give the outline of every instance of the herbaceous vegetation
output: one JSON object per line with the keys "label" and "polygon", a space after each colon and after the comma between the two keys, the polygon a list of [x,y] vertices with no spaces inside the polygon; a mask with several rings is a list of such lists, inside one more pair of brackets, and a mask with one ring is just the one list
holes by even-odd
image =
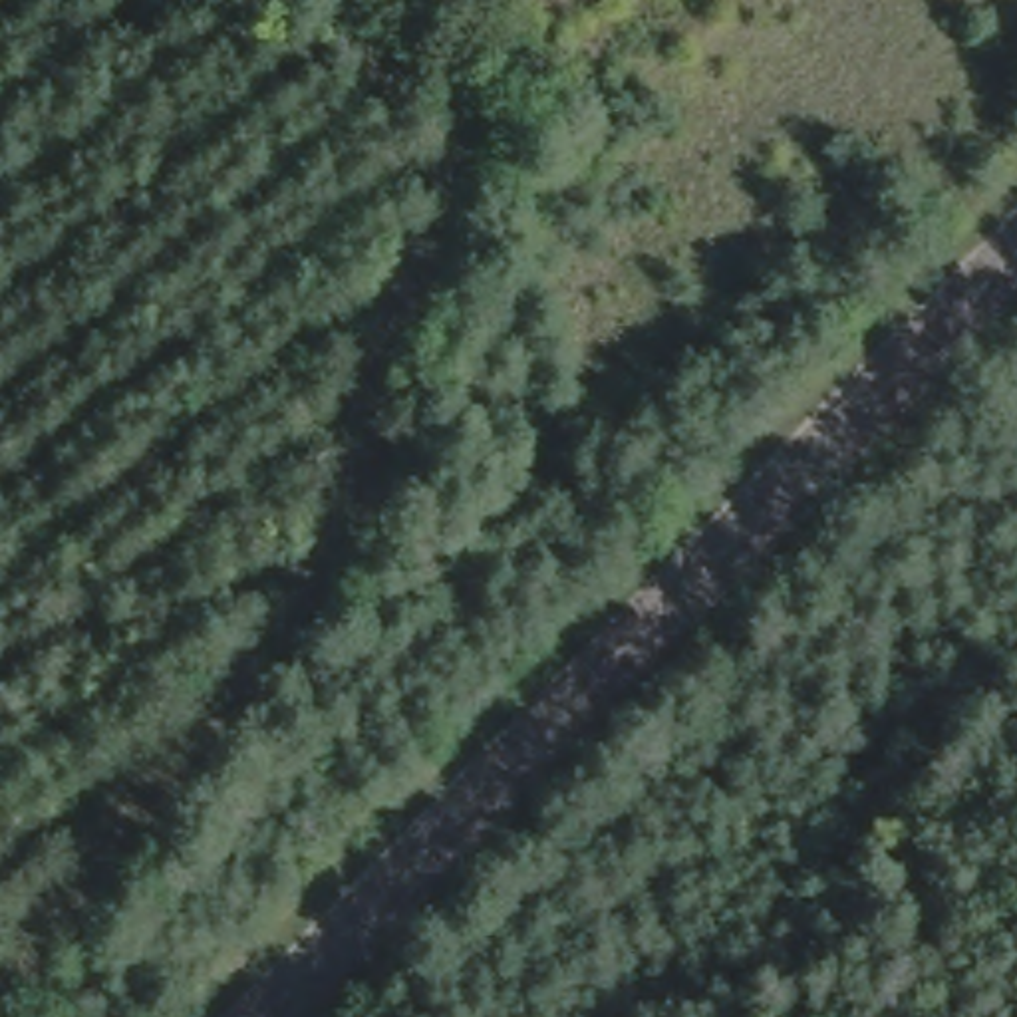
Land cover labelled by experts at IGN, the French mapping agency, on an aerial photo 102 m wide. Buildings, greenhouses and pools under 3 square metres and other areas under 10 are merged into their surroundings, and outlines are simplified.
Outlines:
{"label": "herbaceous vegetation", "polygon": [[[564,274],[572,278],[576,298],[572,306],[564,306],[556,369],[564,365],[580,373],[580,401],[532,417],[532,477],[548,493],[564,493],[580,481],[576,453],[596,421],[616,425],[624,433],[624,425],[640,417],[648,389],[675,389],[683,373],[683,350],[707,354],[715,338],[731,338],[731,330],[743,326],[739,302],[763,290],[775,274],[795,270],[791,230],[810,230],[810,258],[818,270],[862,266],[866,238],[882,215],[878,195],[882,187],[890,187],[890,167],[886,159],[834,159],[826,147],[834,139],[830,123],[878,131],[886,119],[926,119],[938,127],[938,103],[961,79],[969,79],[977,99],[1001,95],[1017,83],[1017,0],[997,0],[997,32],[957,60],[953,40],[930,20],[926,0],[640,0],[632,20],[616,24],[604,36],[600,52],[612,60],[612,83],[640,75],[671,119],[652,123],[644,131],[628,131],[616,147],[616,159],[600,171],[600,183],[612,183],[624,163],[636,163],[640,183],[652,187],[652,207],[644,215],[616,218],[588,254],[572,254],[572,270]],[[735,171],[759,139],[771,147],[799,147],[791,155],[791,167],[783,171],[783,179],[795,191],[787,230],[747,226],[751,199],[739,191]],[[703,282],[703,298],[695,306],[671,302],[655,310],[652,286],[671,278],[671,266],[663,266],[655,254],[671,246],[679,230],[695,238],[695,270]]]}

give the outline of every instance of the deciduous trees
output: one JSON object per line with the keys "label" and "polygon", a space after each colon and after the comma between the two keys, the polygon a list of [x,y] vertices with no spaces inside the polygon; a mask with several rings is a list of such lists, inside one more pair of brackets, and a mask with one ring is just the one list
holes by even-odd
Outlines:
{"label": "deciduous trees", "polygon": [[489,115],[489,159],[497,167],[481,179],[481,203],[469,211],[469,222],[489,230],[501,254],[493,254],[461,286],[437,294],[437,306],[417,342],[421,381],[433,389],[465,389],[469,377],[481,369],[489,342],[512,322],[512,306],[501,298],[501,282],[512,266],[509,250],[520,242],[520,230],[512,226],[516,203],[540,199],[528,171],[540,159],[540,139],[572,111],[568,91],[556,91],[544,79],[556,72],[556,60],[536,52],[536,44],[544,40],[544,8],[536,0],[338,0],[334,24],[350,32],[354,48],[362,48],[358,83],[346,95],[362,115],[373,99],[385,103],[385,111],[417,99],[421,119],[441,119],[449,127],[449,91],[457,83],[477,83]]}
{"label": "deciduous trees", "polygon": [[667,469],[659,485],[648,493],[652,520],[644,540],[636,544],[636,556],[648,564],[671,552],[675,536],[699,512],[691,509],[695,493],[687,493]]}
{"label": "deciduous trees", "polygon": [[107,1005],[79,985],[83,973],[75,945],[60,949],[48,973],[36,973],[32,989],[12,989],[0,997],[0,1017],[99,1017]]}
{"label": "deciduous trees", "polygon": [[441,771],[465,735],[449,715],[429,715],[417,743],[421,759],[429,759]]}

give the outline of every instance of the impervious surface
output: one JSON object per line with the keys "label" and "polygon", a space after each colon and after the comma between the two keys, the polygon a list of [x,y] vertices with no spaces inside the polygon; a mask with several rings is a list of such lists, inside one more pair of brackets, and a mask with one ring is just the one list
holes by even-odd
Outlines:
{"label": "impervious surface", "polygon": [[417,791],[401,806],[377,810],[373,838],[365,846],[346,846],[342,866],[322,870],[302,890],[298,910],[302,918],[318,922],[318,938],[298,938],[298,953],[282,953],[274,945],[250,953],[250,961],[207,997],[203,1017],[314,1017],[314,1009],[326,1001],[330,977],[354,977],[362,985],[365,977],[377,977],[385,942],[445,882],[465,878],[473,890],[481,890],[477,882],[493,874],[497,862],[516,858],[524,838],[544,838],[548,830],[540,810],[552,795],[568,795],[564,779],[572,779],[564,771],[564,755],[580,743],[600,751],[604,743],[620,739],[620,711],[636,707],[636,691],[652,687],[667,671],[683,636],[691,636],[699,624],[727,616],[739,604],[743,584],[755,580],[755,572],[767,560],[806,552],[802,528],[834,509],[834,485],[886,485],[898,473],[918,469],[922,445],[942,421],[942,409],[934,405],[934,373],[961,350],[961,338],[981,342],[1005,322],[1017,322],[1017,187],[1009,187],[1001,207],[977,222],[969,250],[957,262],[942,266],[942,282],[914,286],[906,310],[886,314],[866,330],[866,358],[850,373],[842,373],[810,409],[818,425],[814,437],[759,437],[743,449],[743,465],[739,477],[727,485],[727,497],[711,512],[699,512],[675,536],[671,552],[648,564],[644,584],[628,604],[604,604],[600,612],[588,612],[576,624],[568,624],[560,632],[556,652],[540,659],[532,675],[520,683],[520,699],[489,703],[465,735],[441,771],[433,795]]}

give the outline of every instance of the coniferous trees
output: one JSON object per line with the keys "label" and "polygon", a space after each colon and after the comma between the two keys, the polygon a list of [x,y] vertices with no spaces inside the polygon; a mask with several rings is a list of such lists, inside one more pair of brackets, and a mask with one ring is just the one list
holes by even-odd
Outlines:
{"label": "coniferous trees", "polygon": [[926,0],[930,20],[953,40],[957,60],[997,32],[997,0]]}
{"label": "coniferous trees", "polygon": [[783,179],[783,171],[791,167],[791,155],[799,147],[771,147],[759,139],[735,171],[739,191],[751,199],[747,226],[787,230],[795,191]]}
{"label": "coniferous trees", "polygon": [[699,624],[691,636],[683,636],[667,671],[652,687],[636,691],[636,707],[620,711],[620,739],[604,743],[600,751],[580,743],[564,755],[564,771],[572,779],[564,779],[568,795],[552,795],[540,810],[548,830],[544,838],[524,838],[516,858],[497,862],[493,874],[477,882],[481,890],[473,890],[465,878],[445,882],[385,942],[377,977],[365,977],[362,985],[354,977],[330,977],[326,1001],[314,1009],[314,1017],[1017,1017],[1017,322],[1005,322],[981,342],[961,338],[961,350],[934,373],[934,405],[942,409],[942,421],[922,445],[918,469],[898,473],[886,485],[834,485],[834,509],[802,528],[806,552],[767,560],[755,572],[755,580],[743,584],[739,604],[727,616]]}
{"label": "coniferous trees", "polygon": [[882,187],[878,195],[882,215],[866,238],[862,266],[818,270],[810,258],[810,230],[791,230],[795,270],[775,274],[763,290],[739,302],[743,326],[731,330],[731,338],[715,338],[707,354],[683,350],[683,373],[675,389],[648,389],[640,417],[624,425],[624,433],[616,425],[596,421],[576,453],[580,481],[564,493],[548,493],[532,477],[532,417],[580,401],[580,373],[564,365],[556,369],[564,306],[572,306],[576,298],[572,278],[564,274],[572,270],[572,254],[588,254],[616,218],[644,215],[652,207],[652,187],[640,183],[636,163],[624,163],[612,183],[600,183],[600,171],[616,159],[616,147],[628,131],[644,131],[652,123],[671,119],[640,75],[612,83],[612,60],[600,52],[604,36],[616,24],[632,20],[640,0],[536,0],[544,8],[544,40],[536,44],[536,52],[556,60],[556,72],[544,79],[556,91],[568,91],[572,111],[540,139],[540,159],[528,171],[540,199],[516,203],[512,226],[520,230],[520,242],[509,250],[512,266],[501,282],[501,298],[512,306],[512,322],[489,342],[481,369],[469,377],[465,389],[433,389],[421,381],[417,342],[437,306],[437,294],[461,286],[493,254],[501,254],[489,230],[469,222],[469,211],[481,203],[481,179],[497,167],[489,159],[489,115],[477,83],[457,83],[449,91],[449,127],[441,119],[421,119],[417,99],[385,111],[385,103],[373,99],[362,115],[346,95],[358,83],[362,48],[354,48],[350,32],[334,24],[338,0],[0,0],[0,997],[12,989],[32,989],[36,973],[48,973],[60,949],[75,945],[83,973],[79,985],[107,1005],[99,1017],[203,1017],[207,997],[250,961],[250,953],[274,945],[282,953],[298,953],[298,938],[318,938],[318,922],[302,918],[298,910],[302,890],[322,870],[342,866],[346,846],[365,846],[373,838],[377,810],[401,806],[417,791],[433,795],[441,771],[429,759],[421,759],[417,743],[429,715],[449,715],[465,735],[489,703],[520,699],[520,683],[532,675],[540,659],[556,652],[560,632],[568,624],[576,624],[588,612],[600,612],[604,604],[628,604],[644,584],[648,564],[636,556],[636,544],[644,540],[652,520],[648,493],[659,485],[667,469],[687,493],[695,493],[691,509],[699,512],[711,512],[727,497],[727,485],[739,477],[743,465],[743,449],[759,437],[814,437],[818,425],[810,409],[842,373],[850,373],[866,358],[866,330],[886,314],[906,310],[914,286],[942,282],[942,266],[957,262],[969,250],[977,222],[1001,207],[1009,187],[1017,187],[1017,83],[1001,95],[977,99],[969,79],[961,79],[938,103],[938,127],[926,119],[886,119],[878,131],[830,123],[834,139],[826,147],[834,159],[886,159],[890,167],[890,187]]}
{"label": "coniferous trees", "polygon": [[695,306],[703,298],[703,282],[695,270],[695,238],[679,230],[671,246],[655,254],[663,266],[671,266],[671,278],[652,286],[655,310],[671,302]]}

